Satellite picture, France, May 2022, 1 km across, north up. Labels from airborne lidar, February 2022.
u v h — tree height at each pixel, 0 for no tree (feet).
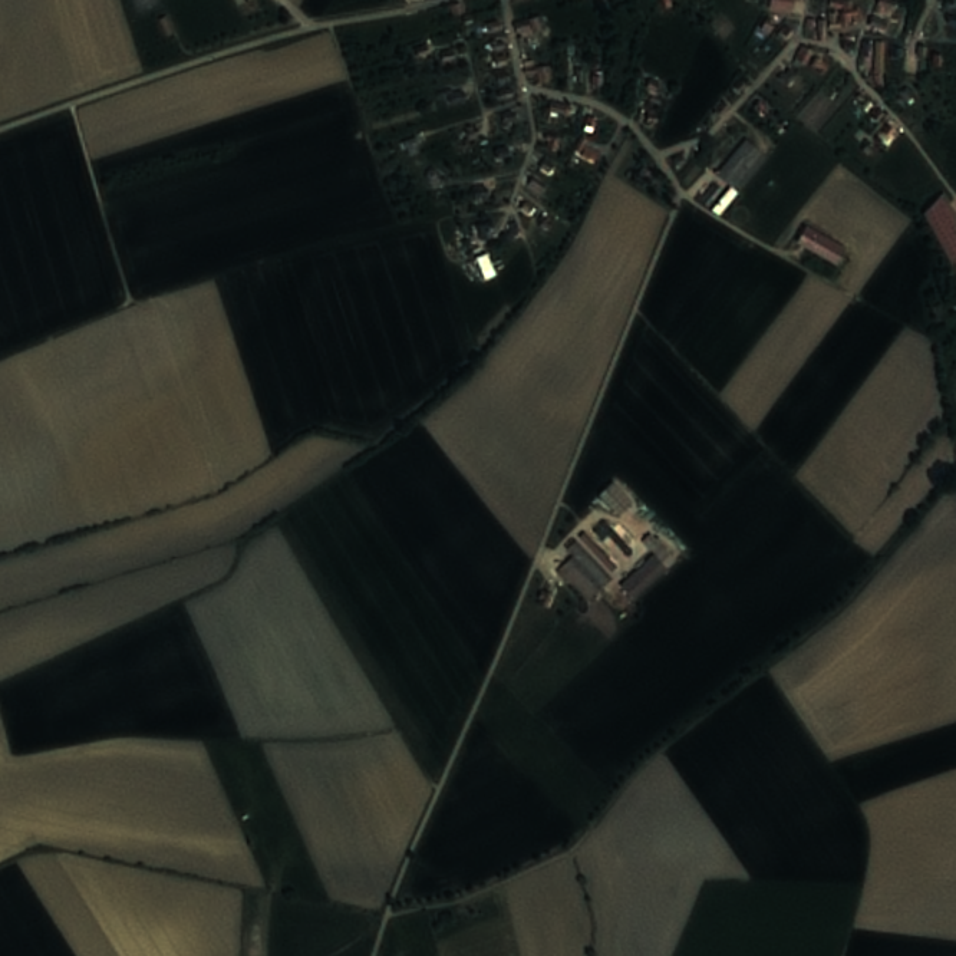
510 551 0
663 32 0
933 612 0
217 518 0
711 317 0
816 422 0
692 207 0
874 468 0
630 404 0
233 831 0
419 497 0
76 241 0
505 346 0
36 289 0
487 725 0
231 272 0
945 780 0
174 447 0
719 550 0
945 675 0
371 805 0
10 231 0
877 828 0
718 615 0
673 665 0
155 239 0
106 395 0
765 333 0
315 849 0
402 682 0
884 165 0
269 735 0
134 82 0
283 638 0
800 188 0
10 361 0
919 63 0
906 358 0
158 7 0
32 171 0
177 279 0
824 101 0
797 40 0
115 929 0
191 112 0
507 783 0
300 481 0
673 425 0
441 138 0
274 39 0
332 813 0
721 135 0
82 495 0
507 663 0
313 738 0
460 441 0
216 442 0
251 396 0
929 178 0
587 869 0
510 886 0
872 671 0
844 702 0
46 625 0
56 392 0
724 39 0
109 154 0
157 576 0
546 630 0
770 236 0
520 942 0
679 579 0
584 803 0
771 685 0
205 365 0
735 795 0
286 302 0
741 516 0
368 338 0
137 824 0
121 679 0
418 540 0
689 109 0
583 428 0
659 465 0
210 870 0
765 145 0
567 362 0
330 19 0
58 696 0
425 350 0
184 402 0
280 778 0
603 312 0
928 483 0
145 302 0
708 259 0
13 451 0
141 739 0
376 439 0
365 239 0
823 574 0
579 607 0
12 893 0
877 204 0
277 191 0
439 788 0
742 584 0
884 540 0
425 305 0
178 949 0
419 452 0
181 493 0
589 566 0
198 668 0
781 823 0
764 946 0
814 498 0
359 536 0
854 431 0
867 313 0
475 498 0
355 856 0
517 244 0
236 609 0
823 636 0
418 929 0
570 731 0
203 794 0
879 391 0
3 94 0
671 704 0
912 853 0
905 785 0
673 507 0
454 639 0
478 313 0
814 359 0
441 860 0
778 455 0
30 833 0
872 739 0
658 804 0
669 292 0
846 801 0
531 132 0
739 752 0
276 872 0
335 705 0
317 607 0
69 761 0
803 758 0
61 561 0
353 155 0
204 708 0
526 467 0
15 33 0
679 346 0
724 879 0
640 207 0
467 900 0
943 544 0
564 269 0
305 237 0
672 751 0
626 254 0
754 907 0
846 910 0
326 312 0
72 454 0
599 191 0
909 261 0
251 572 0
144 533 0
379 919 0
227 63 0
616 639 0
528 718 0
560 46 29
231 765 0
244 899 0
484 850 0
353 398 0
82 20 0
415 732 0
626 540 0
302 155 0
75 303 0
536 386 0
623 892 0
